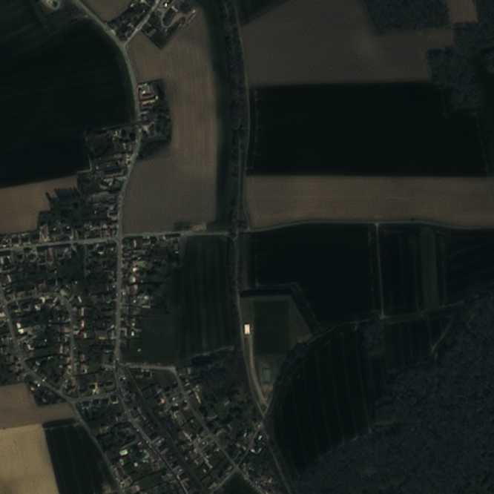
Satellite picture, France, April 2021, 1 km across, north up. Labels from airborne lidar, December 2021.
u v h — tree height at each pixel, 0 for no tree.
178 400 0
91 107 0
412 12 30
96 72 0
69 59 0
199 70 0
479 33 26
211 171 0
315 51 0
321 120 0
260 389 0
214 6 0
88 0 0
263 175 0
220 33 0
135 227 0
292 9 0
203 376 15
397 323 0
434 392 26
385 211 0
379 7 23
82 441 0
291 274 0
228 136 0
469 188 0
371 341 13
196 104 0
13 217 0
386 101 0
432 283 0
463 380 22
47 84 0
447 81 9
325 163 0
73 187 0
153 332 0
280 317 0
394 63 0
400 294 0
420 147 0
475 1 18
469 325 11
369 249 0
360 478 25
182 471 0
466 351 22
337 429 0
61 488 0
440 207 0
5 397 0
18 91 0
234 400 10
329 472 22
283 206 0
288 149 0
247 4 0
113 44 0
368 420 0
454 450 27
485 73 0
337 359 0
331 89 0
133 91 0
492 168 0
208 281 0
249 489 0
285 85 0
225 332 0
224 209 0
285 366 7
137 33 0
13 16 0
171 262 11
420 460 23
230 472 0
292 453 0
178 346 0
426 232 0
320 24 0
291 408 0
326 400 0
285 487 16
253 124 0
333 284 0
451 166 0
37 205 0
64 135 0
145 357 0
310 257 0
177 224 0
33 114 0
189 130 0
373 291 0
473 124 0
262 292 10
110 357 0
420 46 0
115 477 0
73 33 0
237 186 0
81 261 0
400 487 24
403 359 0
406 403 25
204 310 0
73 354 0
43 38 0
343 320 0
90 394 0
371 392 0
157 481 0
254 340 0
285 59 0
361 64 0
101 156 6
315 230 0
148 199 0
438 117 0
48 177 0
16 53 0
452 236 0
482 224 0
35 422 0
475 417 22
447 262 0
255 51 0
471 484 24
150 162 0
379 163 0
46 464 0
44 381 0
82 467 0
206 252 0
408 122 0
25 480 0
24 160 0
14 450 0
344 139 0
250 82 0
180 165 0
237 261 14
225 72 0
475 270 0
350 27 0
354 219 0
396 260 0
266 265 0
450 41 0
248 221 0
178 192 0
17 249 0
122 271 0
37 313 7
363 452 23
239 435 8
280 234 0
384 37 0
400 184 0
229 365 14
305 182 0
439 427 29
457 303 0
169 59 0
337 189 0
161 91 0
